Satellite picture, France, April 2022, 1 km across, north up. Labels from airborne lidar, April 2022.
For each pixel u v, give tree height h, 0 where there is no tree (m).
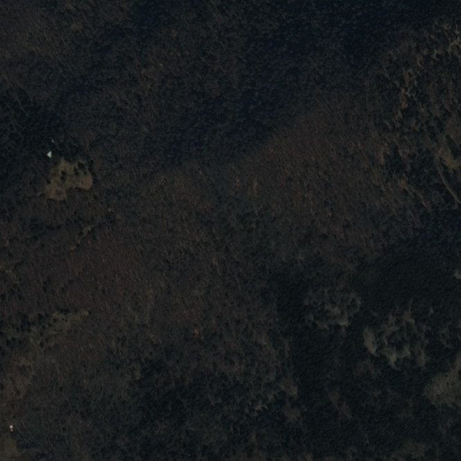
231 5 26
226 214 21
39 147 11
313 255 15
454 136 19
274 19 28
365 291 18
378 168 24
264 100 22
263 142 18
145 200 26
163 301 27
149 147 24
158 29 18
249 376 21
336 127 31
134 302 19
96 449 33
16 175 8
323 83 24
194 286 18
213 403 20
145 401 31
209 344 28
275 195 16
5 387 12
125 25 25
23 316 13
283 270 18
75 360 22
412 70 14
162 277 18
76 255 12
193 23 30
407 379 16
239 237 28
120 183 18
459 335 8
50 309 12
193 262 26
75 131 13
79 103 17
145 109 10
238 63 26
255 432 13
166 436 28
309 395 25
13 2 22
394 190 28
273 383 28
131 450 33
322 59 33
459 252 15
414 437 18
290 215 15
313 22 32
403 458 17
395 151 26
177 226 35
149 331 27
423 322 10
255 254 26
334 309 12
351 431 25
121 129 24
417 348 7
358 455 18
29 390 13
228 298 26
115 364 25
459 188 26
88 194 11
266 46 25
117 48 23
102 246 15
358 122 34
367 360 18
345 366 21
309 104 22
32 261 12
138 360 37
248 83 30
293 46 22
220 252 31
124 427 22
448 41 33
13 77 19
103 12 34
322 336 26
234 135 21
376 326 14
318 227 22
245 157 18
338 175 31
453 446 20
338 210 29
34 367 10
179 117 32
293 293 22
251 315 31
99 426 23
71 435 35
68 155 13
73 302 14
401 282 22
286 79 27
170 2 32
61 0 23
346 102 30
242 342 31
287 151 25
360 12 22
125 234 16
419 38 15
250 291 22
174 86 23
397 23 23
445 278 17
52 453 27
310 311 24
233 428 29
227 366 29
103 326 18
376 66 17
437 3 20
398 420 21
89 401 17
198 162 19
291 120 15
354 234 31
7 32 22
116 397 29
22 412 11
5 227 14
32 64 27
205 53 25
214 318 32
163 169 24
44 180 8
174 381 18
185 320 27
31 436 24
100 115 15
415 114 31
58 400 30
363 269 23
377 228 19
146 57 29
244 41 35
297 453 23
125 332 25
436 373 18
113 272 13
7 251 14
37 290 13
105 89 20
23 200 9
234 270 28
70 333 9
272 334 38
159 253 29
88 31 32
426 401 24
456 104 23
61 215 12
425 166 25
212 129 21
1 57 20
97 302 14
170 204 30
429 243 29
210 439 11
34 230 16
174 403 14
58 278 12
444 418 23
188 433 25
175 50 35
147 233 28
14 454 0
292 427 26
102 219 10
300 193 23
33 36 20
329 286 10
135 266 17
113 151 20
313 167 28
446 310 22
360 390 22
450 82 27
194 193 32
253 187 17
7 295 7
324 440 19
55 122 17
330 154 30
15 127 13
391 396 17
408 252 21
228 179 15
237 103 30
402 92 10
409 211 33
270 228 17
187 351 23
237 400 21
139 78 19
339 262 25
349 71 29
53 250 7
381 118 29
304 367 21
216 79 31
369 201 33
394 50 26
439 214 32
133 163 23
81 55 31
